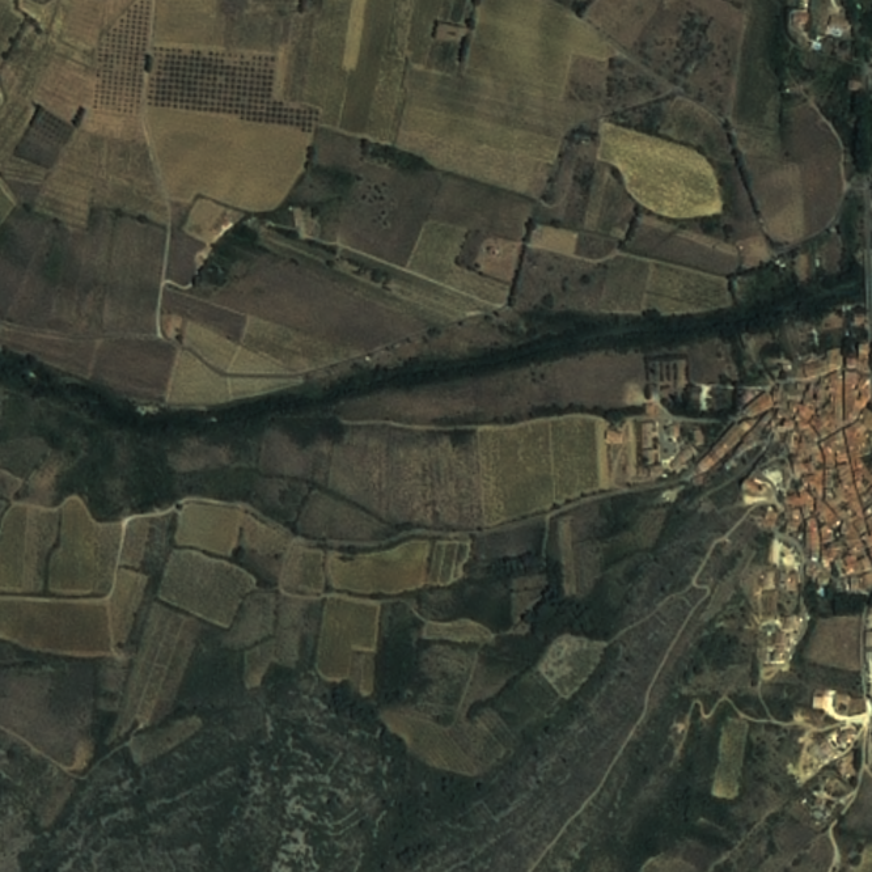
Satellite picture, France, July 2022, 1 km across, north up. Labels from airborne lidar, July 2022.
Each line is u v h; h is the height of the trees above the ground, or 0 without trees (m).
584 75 0
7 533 0
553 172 0
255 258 0
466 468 0
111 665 0
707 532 0
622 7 0
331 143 0
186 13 0
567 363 0
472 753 0
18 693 0
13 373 12
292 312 0
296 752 0
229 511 0
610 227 0
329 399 7
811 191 0
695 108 0
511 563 20
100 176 0
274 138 0
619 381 0
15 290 0
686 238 0
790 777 0
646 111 6
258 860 0
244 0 0
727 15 0
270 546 0
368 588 0
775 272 10
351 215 0
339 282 0
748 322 8
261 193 0
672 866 0
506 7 0
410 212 0
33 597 0
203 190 0
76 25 0
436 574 0
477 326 0
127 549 0
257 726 0
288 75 0
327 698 9
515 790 0
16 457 0
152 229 0
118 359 0
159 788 0
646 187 0
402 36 0
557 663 0
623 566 0
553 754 0
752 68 0
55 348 0
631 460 0
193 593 0
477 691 0
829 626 0
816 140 0
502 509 0
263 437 0
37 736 0
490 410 0
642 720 0
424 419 0
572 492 0
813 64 0
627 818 0
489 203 0
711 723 0
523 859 0
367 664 0
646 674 0
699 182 0
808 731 0
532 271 0
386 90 0
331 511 0
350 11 0
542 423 0
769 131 0
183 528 0
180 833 0
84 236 0
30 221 0
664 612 0
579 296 0
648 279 0
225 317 0
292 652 0
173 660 0
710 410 8
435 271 0
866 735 0
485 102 0
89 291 0
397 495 0
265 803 0
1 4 0
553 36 0
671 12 0
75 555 0
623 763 0
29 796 0
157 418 7
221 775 0
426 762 0
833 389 0
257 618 0
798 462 0
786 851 0
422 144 0
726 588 0
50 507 0
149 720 0
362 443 0
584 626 12
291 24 0
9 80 0
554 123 0
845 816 7
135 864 0
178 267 0
